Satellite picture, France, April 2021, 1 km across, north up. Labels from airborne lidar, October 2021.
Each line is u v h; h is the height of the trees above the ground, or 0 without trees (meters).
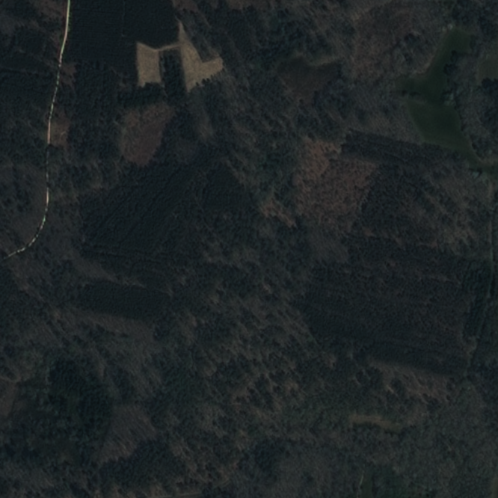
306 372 28
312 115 17
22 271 13
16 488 16
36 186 12
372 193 8
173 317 26
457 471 19
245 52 21
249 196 15
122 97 19
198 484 11
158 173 20
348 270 16
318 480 19
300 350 27
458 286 17
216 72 0
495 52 16
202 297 26
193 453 18
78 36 10
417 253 17
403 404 23
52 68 7
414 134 16
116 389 18
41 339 17
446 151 10
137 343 16
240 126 19
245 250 17
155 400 17
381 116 16
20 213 9
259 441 18
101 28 11
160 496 18
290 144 0
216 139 14
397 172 20
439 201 19
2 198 22
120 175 14
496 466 22
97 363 21
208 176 16
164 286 17
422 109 0
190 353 16
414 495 11
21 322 30
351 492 25
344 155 11
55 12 9
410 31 7
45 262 13
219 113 16
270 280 21
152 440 14
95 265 16
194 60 0
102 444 21
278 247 14
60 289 29
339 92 27
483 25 28
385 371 15
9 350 15
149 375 28
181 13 7
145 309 22
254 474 25
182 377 30
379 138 16
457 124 0
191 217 19
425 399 15
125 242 22
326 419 20
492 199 10
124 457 12
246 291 30
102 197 15
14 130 18
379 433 25
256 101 23
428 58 18
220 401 30
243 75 20
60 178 19
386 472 23
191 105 13
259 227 28
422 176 15
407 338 21
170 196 22
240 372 30
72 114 21
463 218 23
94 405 29
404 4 6
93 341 26
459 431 23
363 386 30
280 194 6
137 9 9
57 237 12
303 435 22
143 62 0
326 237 13
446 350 20
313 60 27
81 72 20
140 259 15
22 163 25
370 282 17
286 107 23
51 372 12
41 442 8
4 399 9
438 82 0
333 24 18
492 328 12
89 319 15
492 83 0
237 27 23
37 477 18
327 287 20
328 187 7
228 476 23
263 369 25
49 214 9
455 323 18
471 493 19
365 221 17
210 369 29
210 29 13
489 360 22
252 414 26
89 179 28
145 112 9
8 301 28
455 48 0
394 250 18
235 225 31
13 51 17
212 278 27
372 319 23
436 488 23
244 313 15
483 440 22
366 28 6
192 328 18
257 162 18
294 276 31
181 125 19
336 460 27
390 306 18
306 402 17
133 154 6
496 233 16
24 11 10
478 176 21
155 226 23
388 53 6
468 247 18
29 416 24
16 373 16
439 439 21
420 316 17
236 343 20
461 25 24
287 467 18
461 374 20
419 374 13
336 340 15
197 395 30
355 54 15
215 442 29
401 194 19
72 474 12
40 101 22
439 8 18
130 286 16
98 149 17
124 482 31
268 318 16
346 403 26
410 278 18
